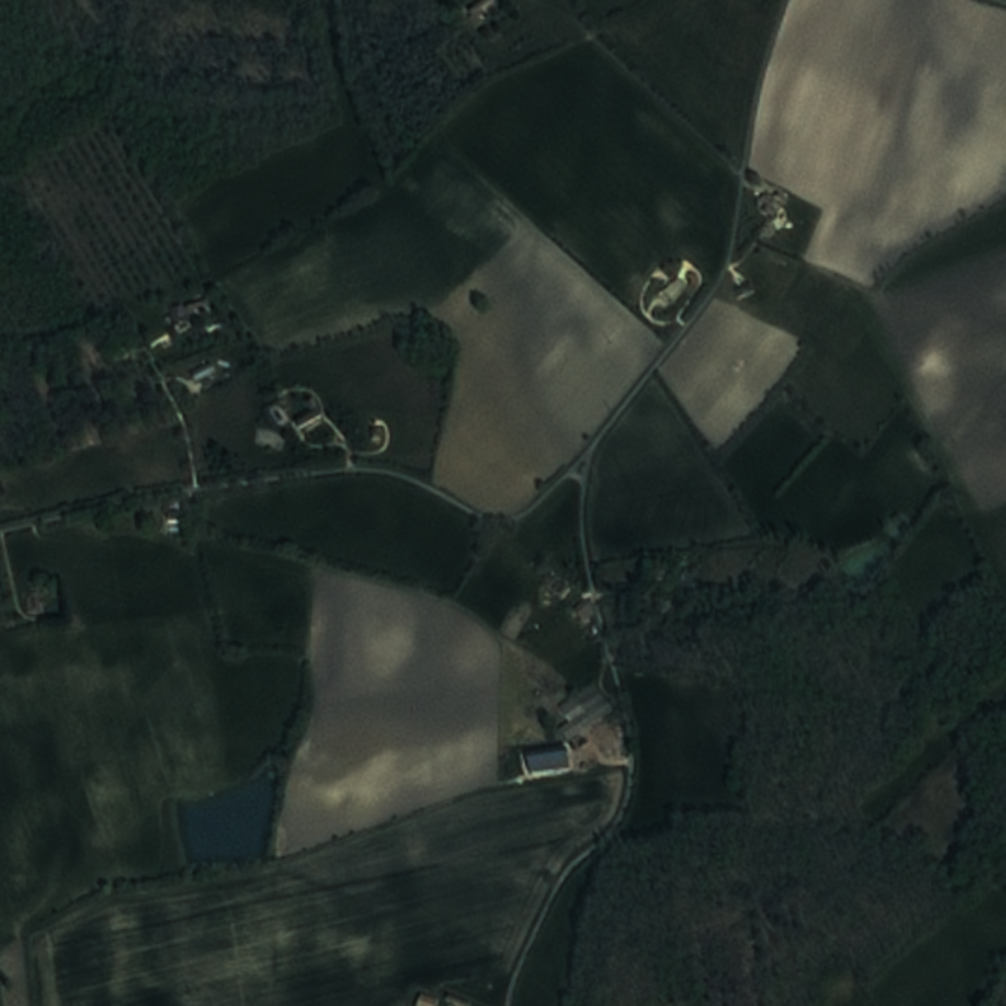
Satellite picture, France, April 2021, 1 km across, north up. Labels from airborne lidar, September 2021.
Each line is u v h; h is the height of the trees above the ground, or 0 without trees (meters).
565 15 0
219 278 0
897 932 19
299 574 0
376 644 0
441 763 0
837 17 0
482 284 0
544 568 19
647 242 0
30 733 0
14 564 0
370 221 0
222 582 0
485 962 0
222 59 11
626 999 16
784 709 22
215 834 0
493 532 15
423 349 22
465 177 0
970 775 24
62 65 18
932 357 0
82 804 0
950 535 0
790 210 0
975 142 0
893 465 0
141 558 0
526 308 0
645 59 0
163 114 20
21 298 15
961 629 25
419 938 0
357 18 8
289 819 0
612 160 0
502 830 0
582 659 0
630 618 14
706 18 0
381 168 12
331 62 15
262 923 0
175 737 0
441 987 0
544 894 0
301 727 15
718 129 0
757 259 0
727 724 0
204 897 0
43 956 0
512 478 0
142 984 0
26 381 22
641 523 0
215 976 0
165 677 0
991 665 26
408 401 0
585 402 0
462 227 0
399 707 0
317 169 0
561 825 0
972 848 18
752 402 0
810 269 0
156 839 0
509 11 13
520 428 0
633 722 10
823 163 0
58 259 18
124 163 9
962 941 0
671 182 0
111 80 20
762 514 0
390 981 0
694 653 11
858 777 18
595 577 8
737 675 18
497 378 0
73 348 23
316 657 0
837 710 18
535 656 0
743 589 11
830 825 19
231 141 21
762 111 0
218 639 8
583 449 0
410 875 0
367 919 0
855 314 0
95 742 0
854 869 18
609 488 0
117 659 0
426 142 10
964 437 0
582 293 0
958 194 0
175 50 11
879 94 0
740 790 13
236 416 0
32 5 18
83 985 0
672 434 0
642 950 18
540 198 0
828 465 0
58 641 0
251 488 15
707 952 5
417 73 12
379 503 0
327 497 0
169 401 15
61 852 0
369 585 0
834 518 0
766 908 15
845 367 0
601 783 0
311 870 0
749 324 0
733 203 0
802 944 19
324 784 0
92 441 0
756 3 0
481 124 0
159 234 11
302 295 0
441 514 0
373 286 0
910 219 0
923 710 28
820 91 0
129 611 0
